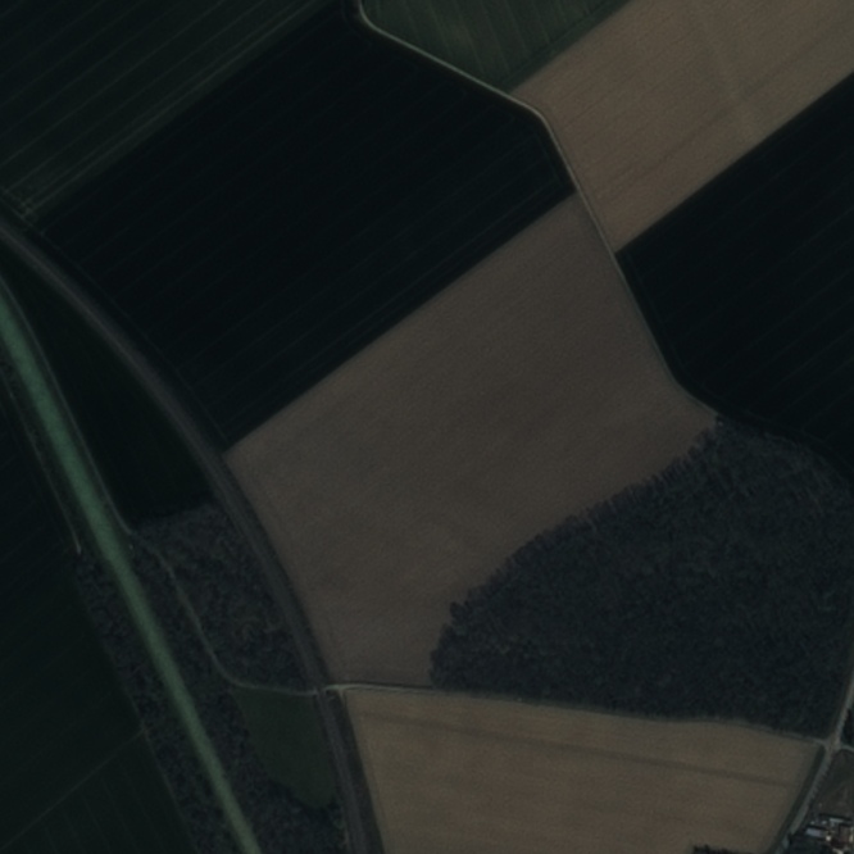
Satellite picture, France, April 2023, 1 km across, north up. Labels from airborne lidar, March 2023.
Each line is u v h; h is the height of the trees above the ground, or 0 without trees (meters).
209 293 0
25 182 0
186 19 0
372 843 0
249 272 0
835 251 0
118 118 0
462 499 0
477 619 22
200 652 20
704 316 0
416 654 0
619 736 0
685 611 28
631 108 0
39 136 0
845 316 0
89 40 0
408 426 0
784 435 0
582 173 0
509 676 26
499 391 0
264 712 0
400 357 0
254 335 0
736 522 26
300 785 0
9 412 0
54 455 0
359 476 0
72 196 0
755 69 0
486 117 0
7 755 0
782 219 0
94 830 0
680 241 0
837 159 0
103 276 0
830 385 0
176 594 22
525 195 0
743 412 0
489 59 0
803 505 30
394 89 0
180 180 0
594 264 0
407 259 0
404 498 0
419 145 0
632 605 24
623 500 0
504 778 0
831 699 27
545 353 0
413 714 0
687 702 28
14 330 0
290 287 0
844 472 0
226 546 21
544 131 0
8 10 0
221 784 0
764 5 0
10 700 0
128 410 0
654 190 0
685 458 0
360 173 0
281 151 0
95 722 0
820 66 0
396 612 0
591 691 23
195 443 0
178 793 12
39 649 0
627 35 0
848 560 27
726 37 0
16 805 0
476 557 0
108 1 0
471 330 0
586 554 23
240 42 0
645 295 0
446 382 0
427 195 0
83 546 7
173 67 0
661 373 0
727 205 0
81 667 0
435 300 0
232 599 18
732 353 0
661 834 0
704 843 0
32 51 0
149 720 15
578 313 0
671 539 26
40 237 0
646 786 0
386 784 0
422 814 0
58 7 0
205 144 0
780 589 30
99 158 0
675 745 0
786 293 0
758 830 0
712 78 0
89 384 0
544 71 0
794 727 22
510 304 0
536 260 0
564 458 0
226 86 0
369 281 0
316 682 0
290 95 0
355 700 0
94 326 0
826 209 0
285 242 0
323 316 0
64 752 0
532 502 0
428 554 0
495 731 0
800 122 0
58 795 0
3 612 0
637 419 0
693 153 0
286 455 0
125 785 0
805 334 0
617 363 0
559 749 0
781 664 23
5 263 0
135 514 0
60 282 0
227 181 0
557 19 0
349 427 0
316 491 0
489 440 0
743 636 28
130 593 0
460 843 0
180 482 0
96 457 0
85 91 0
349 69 0
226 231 0
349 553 0
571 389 0
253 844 0
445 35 0
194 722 0
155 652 0
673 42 0
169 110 0
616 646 28
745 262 0
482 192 0
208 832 12
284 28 0
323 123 0
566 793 0
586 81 0
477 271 0
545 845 0
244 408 0
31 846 0
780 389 0
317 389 0
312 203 0
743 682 25
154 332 0
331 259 0
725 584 27
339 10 0
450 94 0
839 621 26
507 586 19
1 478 0
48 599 0
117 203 0
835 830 0
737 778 0
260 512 0
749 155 0
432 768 0
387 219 0
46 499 0
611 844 0
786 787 0
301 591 0
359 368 0
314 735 0
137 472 0
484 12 0
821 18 0
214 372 0
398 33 0
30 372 0
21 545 0
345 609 0
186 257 0
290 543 0
